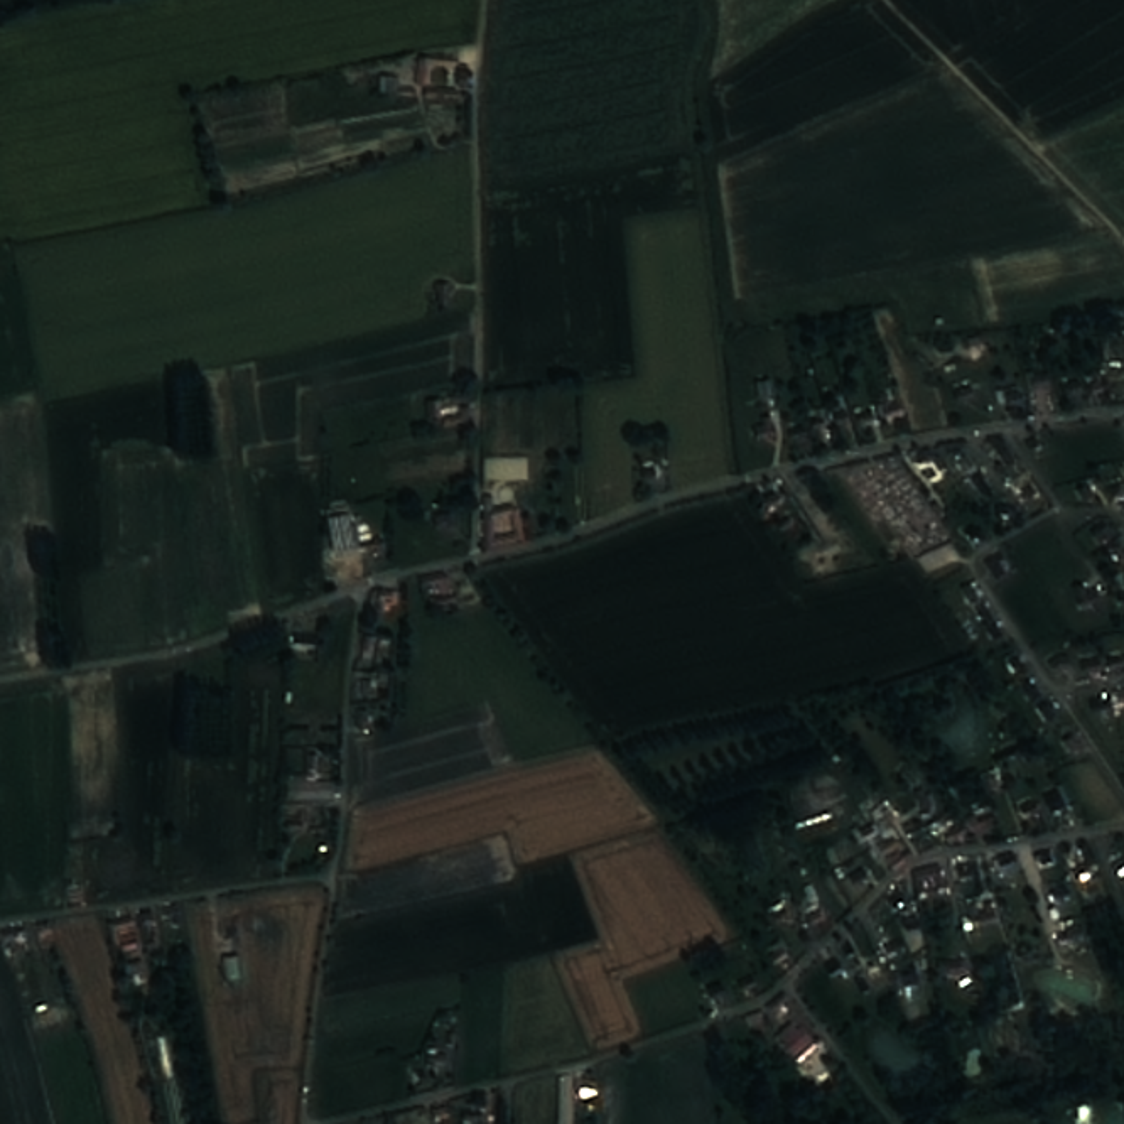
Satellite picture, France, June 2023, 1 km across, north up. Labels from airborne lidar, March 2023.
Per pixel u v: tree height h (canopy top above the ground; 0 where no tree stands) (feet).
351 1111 0
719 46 0
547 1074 0
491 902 0
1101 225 0
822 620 0
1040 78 0
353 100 0
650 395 0
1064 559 0
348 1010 0
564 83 0
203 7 0
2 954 0
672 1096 0
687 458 0
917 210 0
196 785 0
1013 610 0
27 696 0
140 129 0
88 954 0
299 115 0
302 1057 0
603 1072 0
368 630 33
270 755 0
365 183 0
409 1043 0
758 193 0
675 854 0
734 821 85
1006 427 0
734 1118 0
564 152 0
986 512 27
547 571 0
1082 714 0
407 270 0
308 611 0
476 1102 36
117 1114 0
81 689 0
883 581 0
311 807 0
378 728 27
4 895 0
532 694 0
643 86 0
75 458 0
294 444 0
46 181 0
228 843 0
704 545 0
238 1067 0
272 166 0
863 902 0
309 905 0
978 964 41
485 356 0
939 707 44
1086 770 0
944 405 0
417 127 0
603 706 0
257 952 0
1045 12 0
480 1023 0
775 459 0
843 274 0
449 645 0
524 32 0
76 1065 0
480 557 0
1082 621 0
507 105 0
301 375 0
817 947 0
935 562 0
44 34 0
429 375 0
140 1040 18
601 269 0
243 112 0
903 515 0
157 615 0
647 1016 0
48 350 0
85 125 0
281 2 0
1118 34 0
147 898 0
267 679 0
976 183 0
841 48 0
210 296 0
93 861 0
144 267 0
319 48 0
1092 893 0
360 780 0
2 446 0
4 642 0
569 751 0
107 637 0
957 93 0
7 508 0
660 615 0
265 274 0
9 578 0
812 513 0
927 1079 34
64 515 0
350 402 0
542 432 0
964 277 0
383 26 0
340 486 0
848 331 25
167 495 0
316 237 0
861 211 0
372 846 0
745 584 0
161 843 0
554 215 0
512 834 0
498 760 0
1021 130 0
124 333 0
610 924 0
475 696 0
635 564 0
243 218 0
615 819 0
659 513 0
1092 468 27
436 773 0
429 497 0
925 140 0
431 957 0
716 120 0
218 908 0
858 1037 0
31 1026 0
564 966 0
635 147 0
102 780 0
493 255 0
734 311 0
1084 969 0
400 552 0
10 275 0
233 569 0
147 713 0
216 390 0
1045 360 23
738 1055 0
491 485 0
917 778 0
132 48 0
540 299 0
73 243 0
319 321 0
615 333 0
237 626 0
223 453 0
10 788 0
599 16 0
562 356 0
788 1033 0
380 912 0
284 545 0
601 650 0
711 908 0
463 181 0
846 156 0
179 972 39
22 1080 0
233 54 0
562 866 0
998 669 0
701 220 0
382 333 0
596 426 0
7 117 0
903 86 0
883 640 0
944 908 25
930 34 0
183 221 0
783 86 0
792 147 0
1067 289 0
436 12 0
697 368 0
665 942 0
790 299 0
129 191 0
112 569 0
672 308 0
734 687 0
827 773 0
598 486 0
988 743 0
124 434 0
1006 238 0
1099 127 0
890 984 0
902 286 0
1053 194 0
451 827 0
